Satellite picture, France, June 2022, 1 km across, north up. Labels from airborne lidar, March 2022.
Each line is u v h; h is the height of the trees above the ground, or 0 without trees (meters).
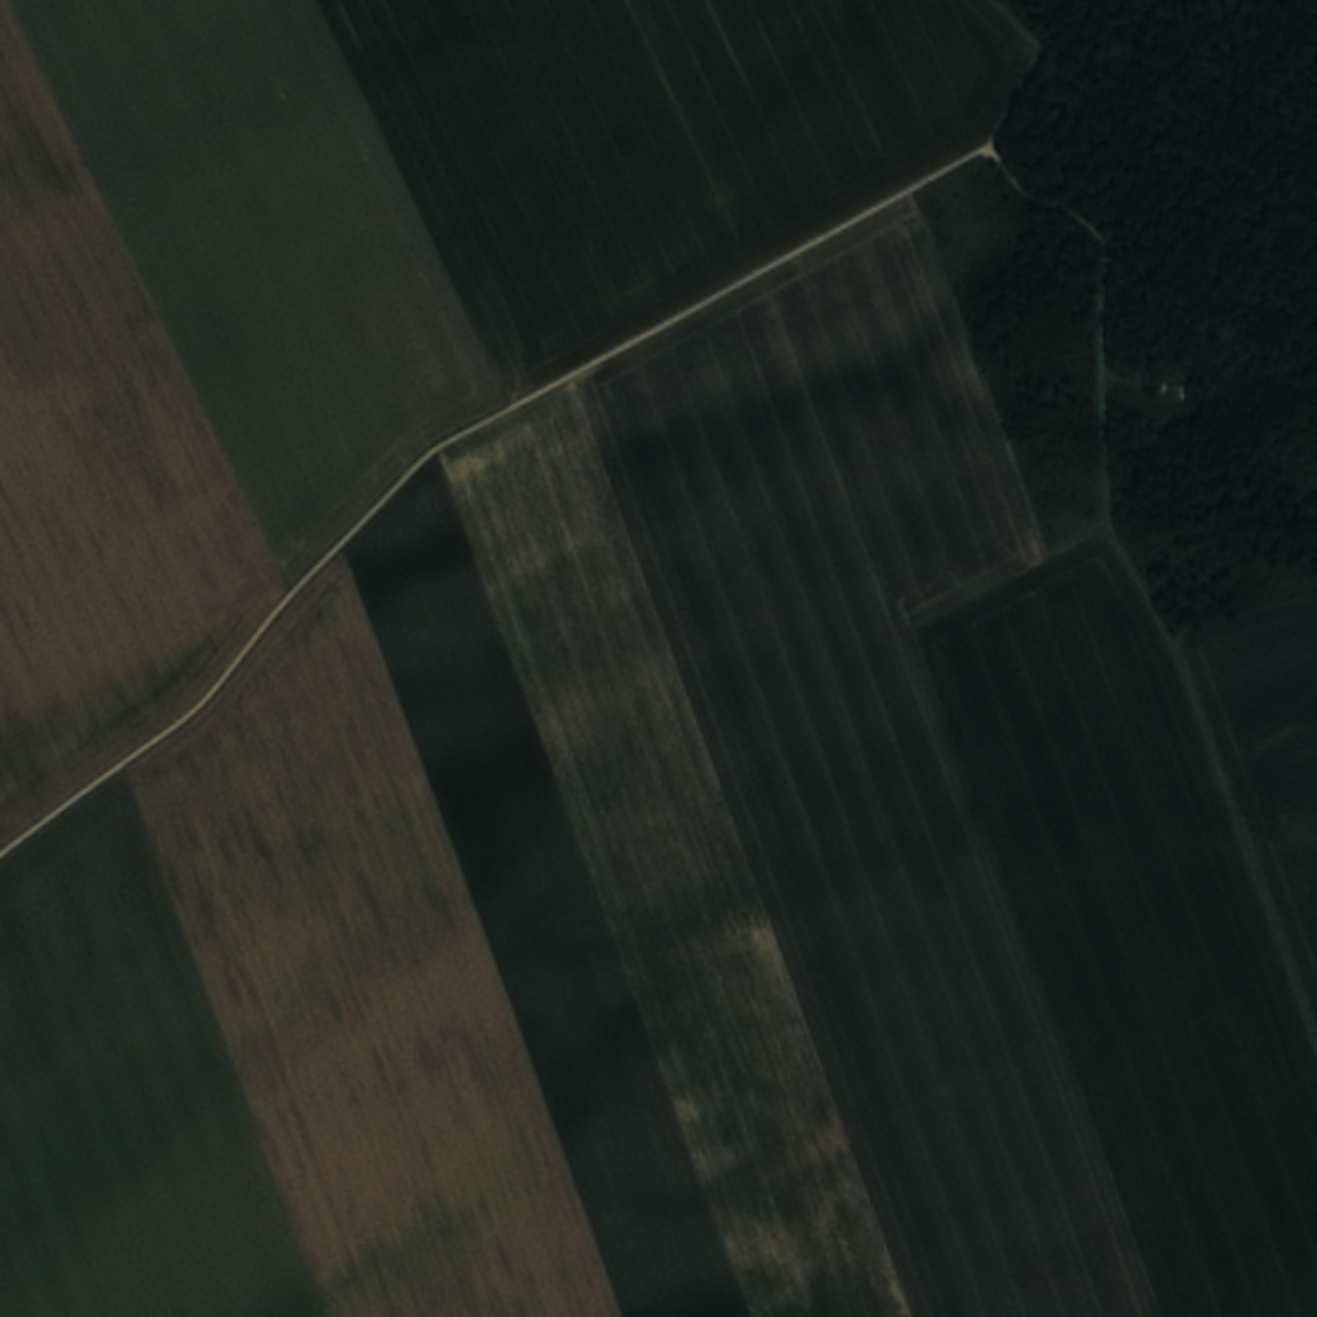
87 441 0
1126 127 17
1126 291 18
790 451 0
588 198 0
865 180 0
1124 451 18
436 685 0
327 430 0
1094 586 0
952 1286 0
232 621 0
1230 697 0
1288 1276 0
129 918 0
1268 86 17
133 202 0
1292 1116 0
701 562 0
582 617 0
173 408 0
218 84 0
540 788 0
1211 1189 0
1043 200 10
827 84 0
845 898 0
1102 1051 0
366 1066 0
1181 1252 0
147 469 0
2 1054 0
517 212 0
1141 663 0
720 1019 0
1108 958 0
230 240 0
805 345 0
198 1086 0
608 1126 0
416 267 0
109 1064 0
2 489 0
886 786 0
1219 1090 0
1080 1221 0
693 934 0
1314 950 0
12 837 0
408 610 0
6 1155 0
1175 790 0
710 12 0
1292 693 0
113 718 0
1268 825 0
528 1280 0
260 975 0
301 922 0
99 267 0
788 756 0
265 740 0
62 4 0
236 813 0
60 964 0
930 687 0
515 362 0
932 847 0
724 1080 0
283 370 0
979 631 0
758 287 0
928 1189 0
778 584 0
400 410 0
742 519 0
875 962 0
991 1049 0
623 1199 0
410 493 0
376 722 0
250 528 0
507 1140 0
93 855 0
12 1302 0
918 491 0
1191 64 21
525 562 0
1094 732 0
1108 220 17
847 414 0
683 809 0
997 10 0
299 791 0
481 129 0
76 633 0
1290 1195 0
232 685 0
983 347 9
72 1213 0
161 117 0
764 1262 0
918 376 0
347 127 0
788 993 0
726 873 0
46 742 0
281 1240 0
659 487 0
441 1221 0
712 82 0
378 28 0
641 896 0
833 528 0
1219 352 17
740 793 0
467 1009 0
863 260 0
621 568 0
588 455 0
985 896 0
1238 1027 0
